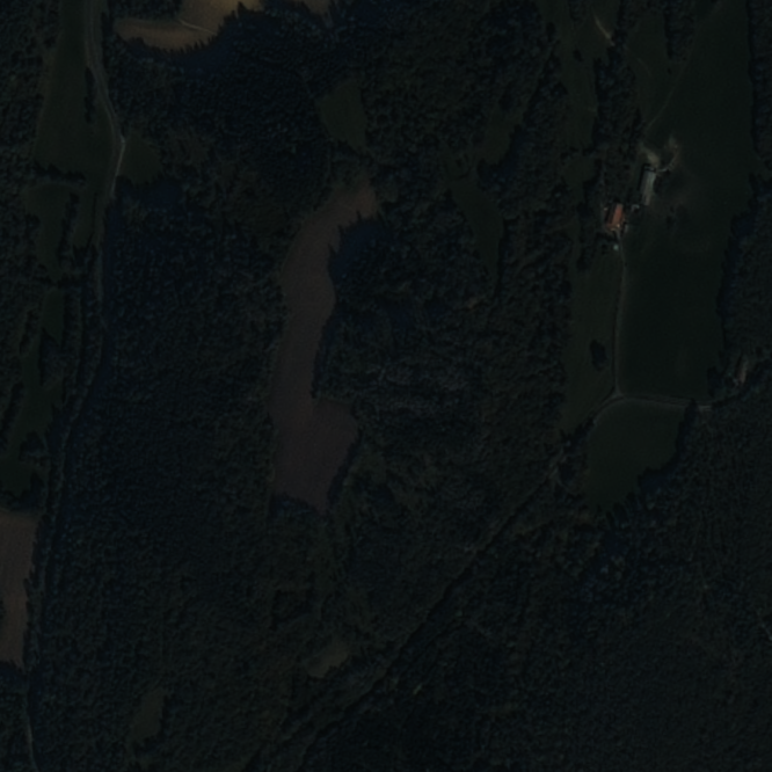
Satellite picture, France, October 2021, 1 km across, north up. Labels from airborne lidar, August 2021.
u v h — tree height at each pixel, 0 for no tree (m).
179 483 13
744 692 14
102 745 12
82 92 0
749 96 0
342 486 14
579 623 23
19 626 0
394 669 22
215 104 24
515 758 23
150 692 8
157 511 14
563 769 13
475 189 0
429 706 21
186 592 11
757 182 0
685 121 0
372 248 13
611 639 14
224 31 0
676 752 11
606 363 22
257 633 18
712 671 12
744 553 12
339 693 15
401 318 0
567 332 20
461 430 20
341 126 0
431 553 15
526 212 23
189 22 0
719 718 14
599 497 0
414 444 18
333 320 0
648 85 0
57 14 8
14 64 17
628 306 0
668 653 13
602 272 0
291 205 20
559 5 0
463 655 23
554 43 14
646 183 0
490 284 18
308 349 0
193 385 14
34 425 0
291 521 19
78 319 11
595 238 7
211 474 10
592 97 0
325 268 0
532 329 22
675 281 0
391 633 17
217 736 16
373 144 18
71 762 13
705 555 11
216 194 13
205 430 18
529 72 22
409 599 19
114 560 11
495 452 18
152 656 16
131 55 11
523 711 20
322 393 14
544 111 17
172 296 13
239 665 19
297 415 0
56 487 14
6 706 21
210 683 17
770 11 16
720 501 13
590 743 12
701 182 0
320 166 20
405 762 14
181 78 20
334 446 0
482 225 0
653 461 0
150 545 15
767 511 11
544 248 10
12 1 19
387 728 21
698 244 0
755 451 11
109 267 6
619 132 15
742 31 0
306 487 0
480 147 22
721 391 18
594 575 9
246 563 17
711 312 0
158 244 7
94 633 8
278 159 24
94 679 7
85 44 0
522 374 18
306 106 27
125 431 18
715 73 0
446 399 22
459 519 19
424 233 14
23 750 11
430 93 20
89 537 15
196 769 17
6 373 15
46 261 0
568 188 15
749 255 18
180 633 10
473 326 25
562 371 16
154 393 13
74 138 0
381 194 20
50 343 12
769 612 11
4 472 0
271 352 16
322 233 0
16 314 15
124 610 23
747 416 12
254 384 22
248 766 0
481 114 23
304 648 13
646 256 0
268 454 18
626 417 0
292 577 15
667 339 0
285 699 15
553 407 25
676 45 19
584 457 18
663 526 21
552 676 30
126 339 7
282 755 19
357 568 16
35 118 16
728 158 0
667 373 0
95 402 20
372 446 15
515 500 16
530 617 19
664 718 12
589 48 0
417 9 20
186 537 16
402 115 13
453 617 16
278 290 21
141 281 8
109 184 0
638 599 21
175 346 19
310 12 0
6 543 0
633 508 10
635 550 20
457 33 24
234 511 10
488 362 18
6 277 14
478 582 15
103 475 17
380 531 16
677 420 0
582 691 14
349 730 19
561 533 20
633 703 11
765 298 13
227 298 15
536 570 18
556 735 26
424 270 10
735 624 14
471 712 20
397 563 13
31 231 17
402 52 24
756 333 13
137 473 19
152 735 0
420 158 28
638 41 0
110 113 0
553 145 22
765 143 15
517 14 10
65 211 0
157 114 17
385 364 19
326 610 11
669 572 18
